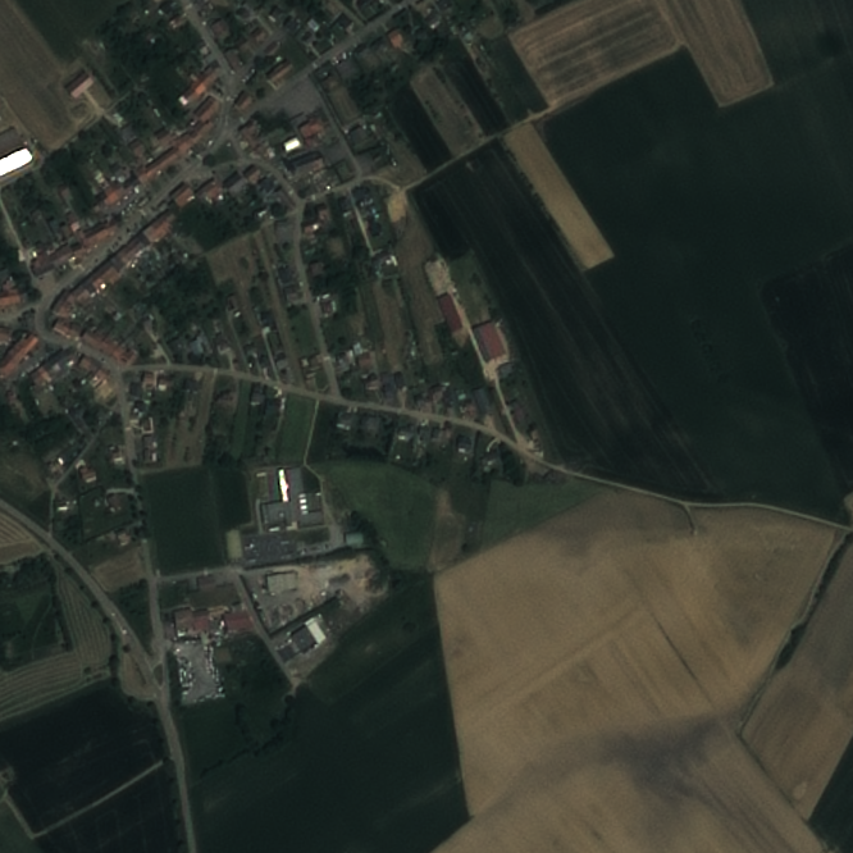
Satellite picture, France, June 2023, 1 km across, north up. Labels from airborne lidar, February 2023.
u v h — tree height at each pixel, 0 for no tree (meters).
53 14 0
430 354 0
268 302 0
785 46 0
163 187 0
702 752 0
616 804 0
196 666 0
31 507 0
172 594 0
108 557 0
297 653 0
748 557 0
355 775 0
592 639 0
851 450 0
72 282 0
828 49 0
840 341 0
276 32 0
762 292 0
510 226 0
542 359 0
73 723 0
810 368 0
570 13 0
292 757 0
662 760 0
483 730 0
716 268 0
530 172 0
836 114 0
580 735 0
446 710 0
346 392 10
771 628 0
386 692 0
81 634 0
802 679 0
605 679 0
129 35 6
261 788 0
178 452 0
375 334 0
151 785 0
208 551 0
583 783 0
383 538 0
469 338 0
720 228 0
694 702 0
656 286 0
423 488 0
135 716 0
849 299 0
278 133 0
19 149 0
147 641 0
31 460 0
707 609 0
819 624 0
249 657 0
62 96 0
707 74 0
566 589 0
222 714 0
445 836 0
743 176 0
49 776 0
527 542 0
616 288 0
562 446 0
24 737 0
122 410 0
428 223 0
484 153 0
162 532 0
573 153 0
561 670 0
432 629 0
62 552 0
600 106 0
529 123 0
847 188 0
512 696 0
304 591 0
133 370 0
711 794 0
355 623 0
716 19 0
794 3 0
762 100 0
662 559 0
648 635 0
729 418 0
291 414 0
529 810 0
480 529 0
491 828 0
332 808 0
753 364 0
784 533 0
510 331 0
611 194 0
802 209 0
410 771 0
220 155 0
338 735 0
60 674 0
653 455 0
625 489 0
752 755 0
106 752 0
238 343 0
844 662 0
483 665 0
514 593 0
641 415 0
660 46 0
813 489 0
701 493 0
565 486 0
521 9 0
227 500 0
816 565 0
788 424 0
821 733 0
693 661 0
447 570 0
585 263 0
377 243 0
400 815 0
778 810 0
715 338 0
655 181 0
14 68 0
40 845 0
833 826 0
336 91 0
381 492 0
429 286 0
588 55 0
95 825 0
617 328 0
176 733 0
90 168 0
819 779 0
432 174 0
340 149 0
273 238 0
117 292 0
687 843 0
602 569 0
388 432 10
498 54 0
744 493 0
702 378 0
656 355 0
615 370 0
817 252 0
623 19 0
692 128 0
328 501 0
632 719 0
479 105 0
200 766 0
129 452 0
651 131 0
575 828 0
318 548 0
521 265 0
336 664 0
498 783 0
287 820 0
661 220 0
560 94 0
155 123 0
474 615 0
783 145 0
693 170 0
